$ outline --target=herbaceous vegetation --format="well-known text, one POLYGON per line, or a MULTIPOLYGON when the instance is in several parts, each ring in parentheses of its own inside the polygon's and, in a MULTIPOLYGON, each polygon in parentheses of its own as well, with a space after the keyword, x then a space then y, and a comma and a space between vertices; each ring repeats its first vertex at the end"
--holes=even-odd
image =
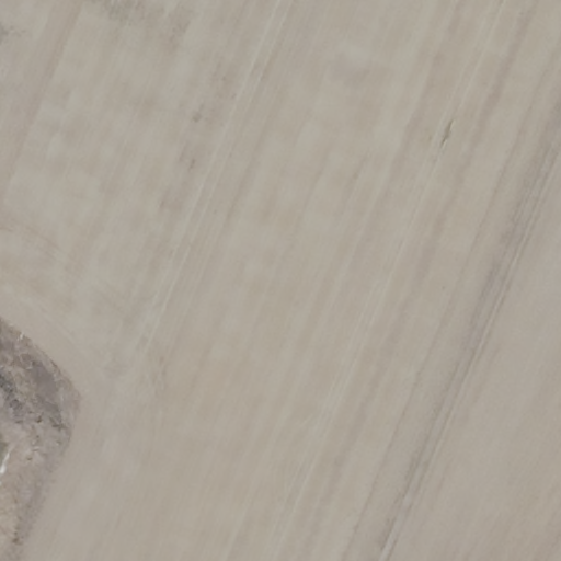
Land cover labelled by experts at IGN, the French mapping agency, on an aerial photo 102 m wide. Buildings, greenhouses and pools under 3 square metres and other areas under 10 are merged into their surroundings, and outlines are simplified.
POLYGON ((18 329, 9 327, 0 318, 0 561, 22 561, 22 541, 31 537, 35 519, 44 508, 44 502, 50 497, 50 484, 57 482, 55 469, 64 465, 66 449, 72 440, 70 425, 77 421, 81 394, 55 359, 48 359, 37 346, 31 344, 28 337, 24 337, 18 329))

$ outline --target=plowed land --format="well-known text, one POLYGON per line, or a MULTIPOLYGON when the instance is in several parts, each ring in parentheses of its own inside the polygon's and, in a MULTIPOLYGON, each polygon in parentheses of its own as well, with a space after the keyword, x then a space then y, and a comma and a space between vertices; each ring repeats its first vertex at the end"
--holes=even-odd
POLYGON ((64 465, 55 469, 57 482, 50 484, 50 497, 44 502, 44 508, 35 519, 31 537, 22 541, 22 561, 561 561, 561 0, 0 0, 0 318, 9 327, 18 329, 24 337, 28 337, 31 344, 37 346, 48 359, 55 359, 81 394, 77 421, 70 425, 72 440, 66 449, 64 465))

